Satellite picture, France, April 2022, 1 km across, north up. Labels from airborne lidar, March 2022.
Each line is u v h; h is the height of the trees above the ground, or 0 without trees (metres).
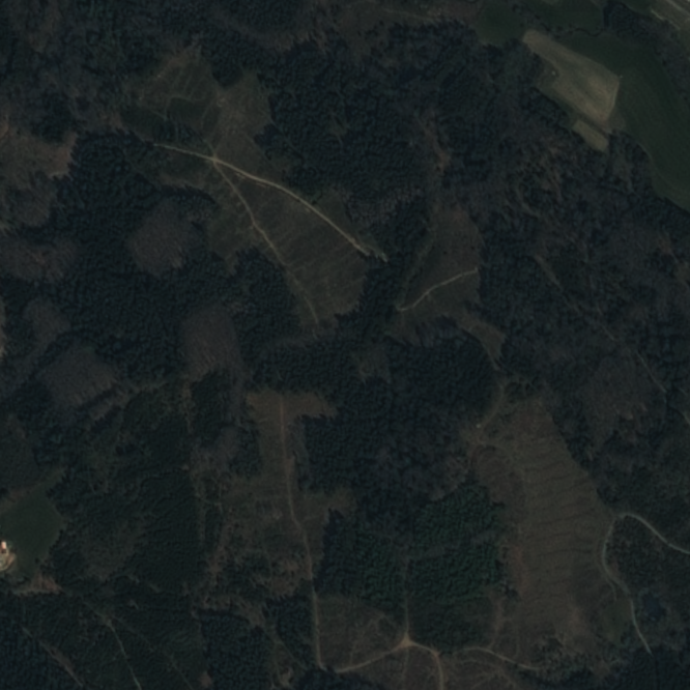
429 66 30
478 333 0
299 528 0
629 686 25
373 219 33
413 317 0
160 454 10
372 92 9
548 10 0
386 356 23
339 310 0
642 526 7
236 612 11
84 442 22
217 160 0
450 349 22
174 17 28
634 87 0
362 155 34
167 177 0
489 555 15
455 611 12
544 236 18
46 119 27
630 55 0
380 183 31
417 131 26
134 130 0
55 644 8
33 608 9
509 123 34
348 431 32
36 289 18
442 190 32
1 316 0
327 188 13
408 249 28
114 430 22
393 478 29
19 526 0
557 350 33
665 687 26
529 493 0
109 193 26
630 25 34
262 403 0
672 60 18
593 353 38
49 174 0
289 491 0
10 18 23
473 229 0
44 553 0
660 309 33
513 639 0
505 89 30
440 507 12
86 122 32
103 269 28
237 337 31
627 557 8
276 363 35
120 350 30
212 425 11
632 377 26
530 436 0
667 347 20
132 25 25
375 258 0
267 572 13
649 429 23
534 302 27
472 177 26
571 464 0
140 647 9
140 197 25
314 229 0
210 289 35
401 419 31
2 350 0
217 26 30
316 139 37
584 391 26
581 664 12
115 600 13
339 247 0
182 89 0
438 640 8
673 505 8
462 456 10
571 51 0
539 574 0
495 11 0
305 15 27
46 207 29
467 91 32
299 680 9
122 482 6
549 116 28
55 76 33
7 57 23
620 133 0
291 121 34
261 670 27
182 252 31
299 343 30
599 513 0
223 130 0
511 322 28
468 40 29
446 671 0
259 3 31
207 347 34
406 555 11
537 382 15
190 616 13
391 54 12
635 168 20
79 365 30
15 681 21
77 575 7
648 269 37
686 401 16
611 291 30
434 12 0
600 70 0
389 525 28
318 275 0
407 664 0
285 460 0
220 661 30
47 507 0
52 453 21
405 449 32
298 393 34
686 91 7
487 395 27
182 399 8
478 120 23
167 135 9
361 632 0
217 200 0
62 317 23
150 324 29
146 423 7
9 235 0
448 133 35
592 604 0
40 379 22
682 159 0
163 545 10
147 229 25
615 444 24
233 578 11
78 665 7
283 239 0
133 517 9
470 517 14
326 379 33
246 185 0
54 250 28
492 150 39
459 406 22
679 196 0
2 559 0
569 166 9
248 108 0
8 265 28
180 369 28
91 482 14
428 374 22
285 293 34
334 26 37
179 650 10
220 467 26
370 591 16
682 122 0
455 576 8
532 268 26
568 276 10
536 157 31
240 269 0
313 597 0
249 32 33
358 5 0
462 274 0
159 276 26
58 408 24
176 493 11
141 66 28
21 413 12
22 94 15
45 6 19
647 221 31
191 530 9
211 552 6
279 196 0
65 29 22
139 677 7
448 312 0
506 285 27
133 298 27
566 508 0
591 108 0
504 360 0
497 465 0
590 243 22
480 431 28
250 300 30
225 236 0
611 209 22
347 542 30
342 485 33
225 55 35
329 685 32
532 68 25
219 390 10
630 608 0
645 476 11
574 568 0
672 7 0
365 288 0
